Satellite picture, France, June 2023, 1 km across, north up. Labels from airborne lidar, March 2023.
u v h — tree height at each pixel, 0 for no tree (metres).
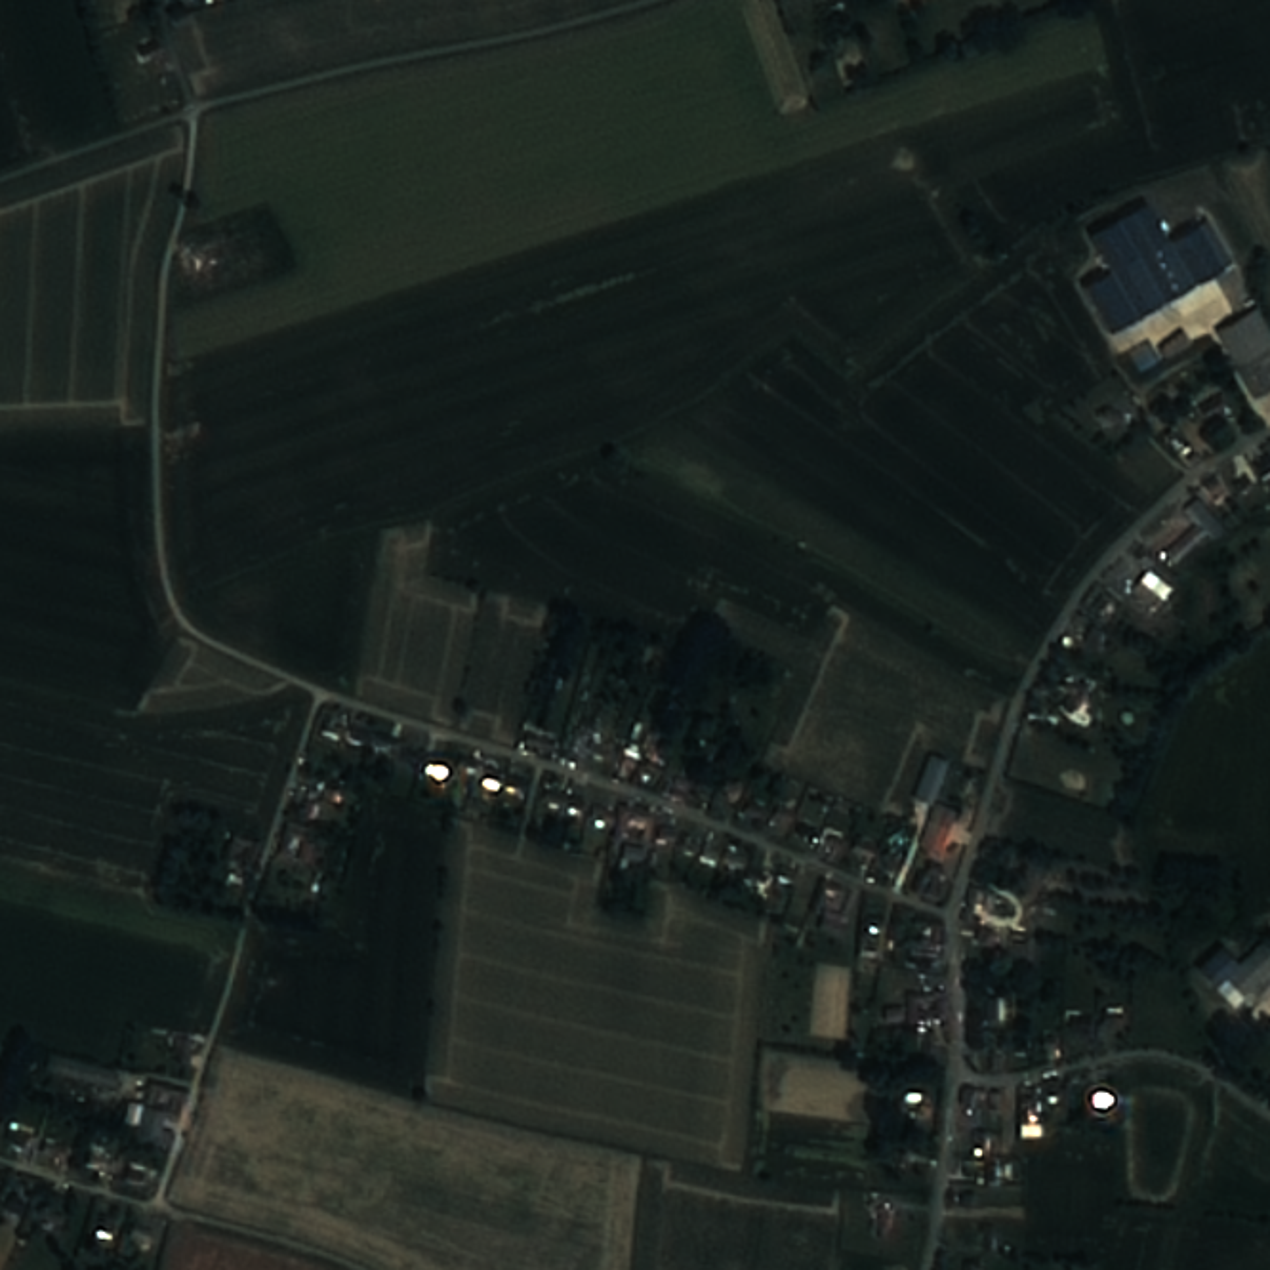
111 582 0
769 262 0
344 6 0
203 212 0
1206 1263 0
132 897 0
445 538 0
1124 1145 0
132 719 0
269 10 0
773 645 0
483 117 0
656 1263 0
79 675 0
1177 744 0
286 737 0
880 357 0
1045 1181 0
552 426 0
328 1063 0
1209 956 9
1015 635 0
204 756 0
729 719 8
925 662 0
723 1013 0
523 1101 0
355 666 0
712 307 0
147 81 0
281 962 0
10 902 0
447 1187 0
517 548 0
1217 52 0
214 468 0
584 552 0
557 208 0
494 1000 0
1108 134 0
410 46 0
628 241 0
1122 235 0
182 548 0
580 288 0
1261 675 0
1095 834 0
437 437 0
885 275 0
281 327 0
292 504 0
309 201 0
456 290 0
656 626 0
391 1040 0
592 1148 0
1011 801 0
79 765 0
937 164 0
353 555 0
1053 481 0
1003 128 0
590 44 0
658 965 0
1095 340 0
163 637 0
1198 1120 0
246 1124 0
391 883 0
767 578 0
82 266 0
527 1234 0
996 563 0
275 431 0
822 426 0
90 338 0
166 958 0
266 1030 0
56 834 0
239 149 0
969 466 0
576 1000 0
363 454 0
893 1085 21
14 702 0
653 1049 0
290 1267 0
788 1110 0
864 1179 0
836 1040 0
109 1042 0
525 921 0
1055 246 0
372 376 0
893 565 0
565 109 0
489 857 0
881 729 0
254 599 0
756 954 0
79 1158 6
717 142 0
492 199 0
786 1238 0
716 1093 0
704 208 0
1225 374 10
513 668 0
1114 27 0
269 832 0
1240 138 0
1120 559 0
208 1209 0
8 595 0
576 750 0
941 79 0
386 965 0
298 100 0
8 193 0
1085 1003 0
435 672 0
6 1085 21
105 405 0
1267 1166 0
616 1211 0
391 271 0
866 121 0
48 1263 0
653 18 0
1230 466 0
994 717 0
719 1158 0
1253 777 0
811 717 0
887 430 0
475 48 0
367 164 0
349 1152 0
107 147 0
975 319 0
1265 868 0
